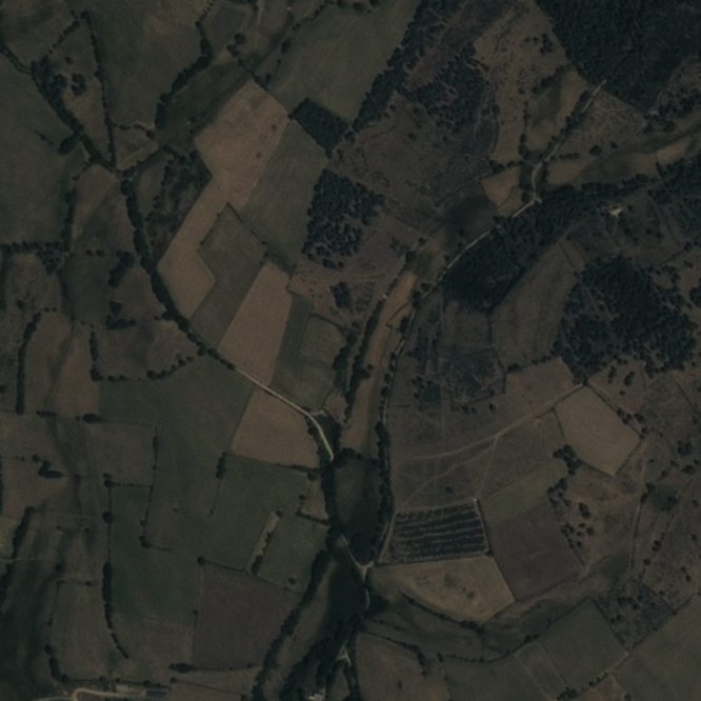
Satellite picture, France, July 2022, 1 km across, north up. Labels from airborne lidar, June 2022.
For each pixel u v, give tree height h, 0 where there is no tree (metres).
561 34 9
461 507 0
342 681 0
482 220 0
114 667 0
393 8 0
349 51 0
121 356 0
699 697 0
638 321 14
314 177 0
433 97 15
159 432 0
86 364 0
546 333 0
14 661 0
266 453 0
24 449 0
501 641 0
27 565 0
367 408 0
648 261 0
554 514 0
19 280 0
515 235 7
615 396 0
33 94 0
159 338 0
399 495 0
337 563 0
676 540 0
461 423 0
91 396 0
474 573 0
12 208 0
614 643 0
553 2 17
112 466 0
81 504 0
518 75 0
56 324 0
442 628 0
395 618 0
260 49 0
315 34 0
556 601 0
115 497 0
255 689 11
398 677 0
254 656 0
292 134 0
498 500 0
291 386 0
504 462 0
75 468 0
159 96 0
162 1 0
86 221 0
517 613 0
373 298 0
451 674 0
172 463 0
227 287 0
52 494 0
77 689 0
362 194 13
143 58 0
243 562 0
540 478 0
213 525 0
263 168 0
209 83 0
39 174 0
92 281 0
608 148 0
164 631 0
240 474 0
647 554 0
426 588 0
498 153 0
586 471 0
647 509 0
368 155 0
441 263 0
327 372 0
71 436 0
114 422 0
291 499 0
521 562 0
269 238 0
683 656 0
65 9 0
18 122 0
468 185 0
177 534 0
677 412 0
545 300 0
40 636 0
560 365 0
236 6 0
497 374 0
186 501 0
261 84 7
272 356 0
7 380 0
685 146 0
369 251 0
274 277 0
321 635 0
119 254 11
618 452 0
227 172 0
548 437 0
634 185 9
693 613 0
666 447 0
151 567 0
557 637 0
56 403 0
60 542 0
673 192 10
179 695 0
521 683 0
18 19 0
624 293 11
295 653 0
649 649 0
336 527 15
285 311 0
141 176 0
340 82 0
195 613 7
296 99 0
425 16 18
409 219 0
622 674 0
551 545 0
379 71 0
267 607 0
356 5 10
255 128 0
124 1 0
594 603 0
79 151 0
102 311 0
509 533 0
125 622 0
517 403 0
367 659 0
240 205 0
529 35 0
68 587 0
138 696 0
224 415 0
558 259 0
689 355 10
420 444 0
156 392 0
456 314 0
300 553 0
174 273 0
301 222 0
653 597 0
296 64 0
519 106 0
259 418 0
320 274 0
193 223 0
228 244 0
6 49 11
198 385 0
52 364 0
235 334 0
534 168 0
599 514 0
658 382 0
